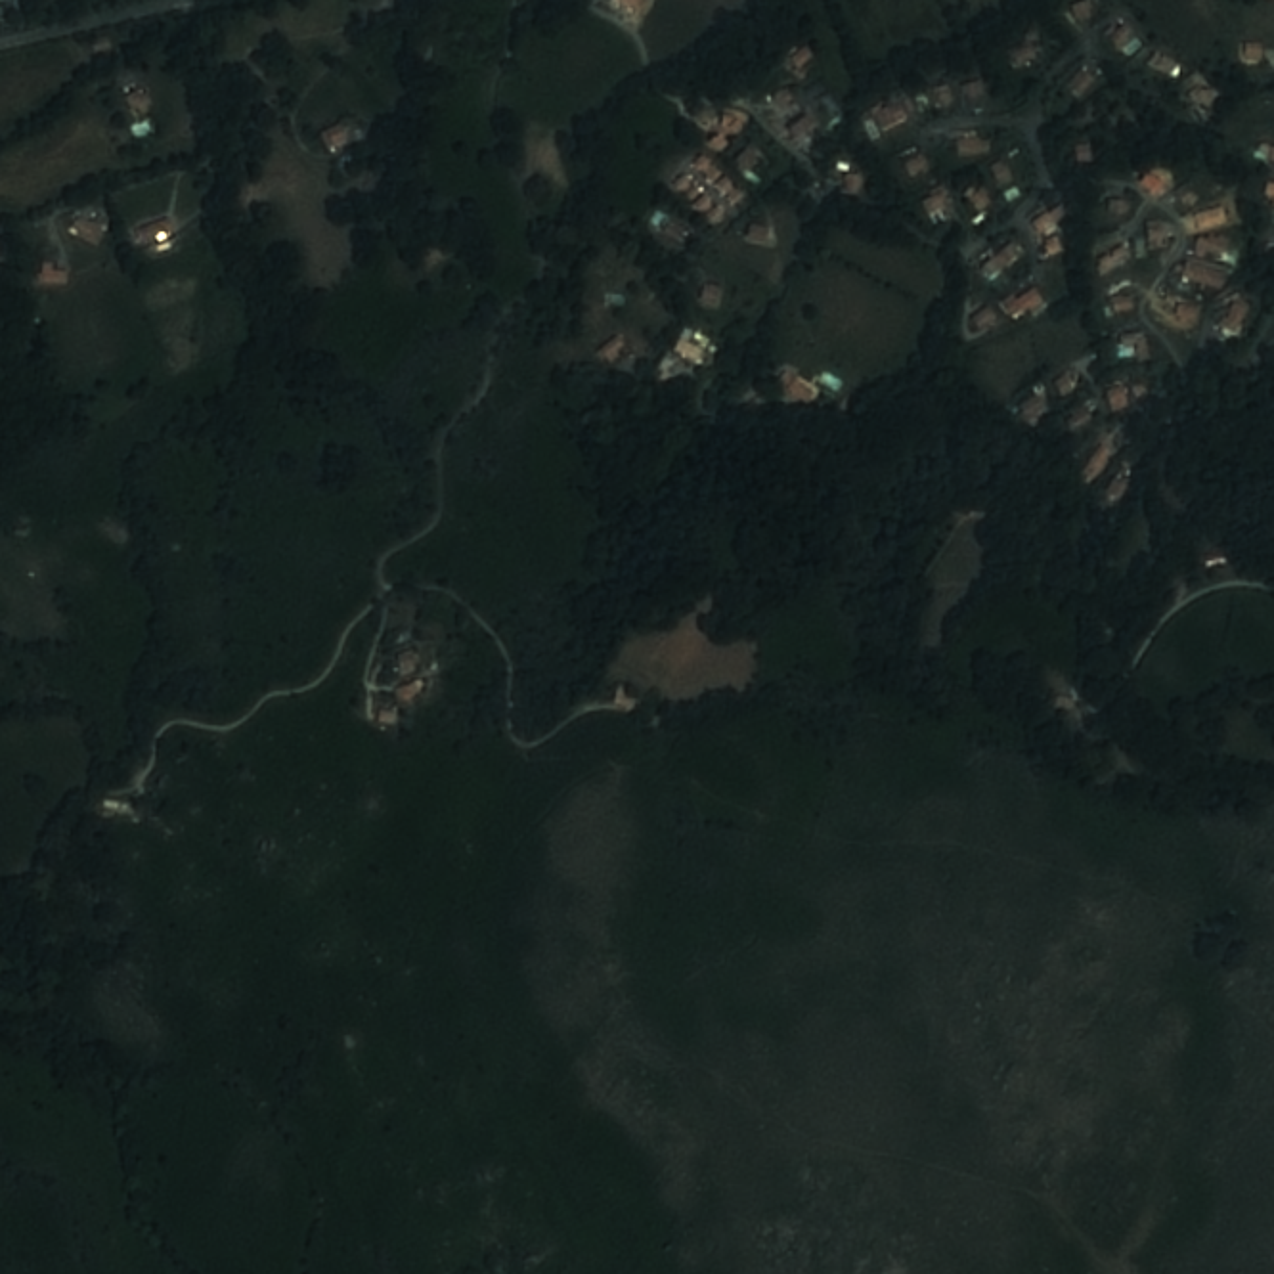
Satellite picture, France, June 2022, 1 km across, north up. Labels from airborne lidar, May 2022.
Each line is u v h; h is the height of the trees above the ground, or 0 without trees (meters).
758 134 12
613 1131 0
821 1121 0
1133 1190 0
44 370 18
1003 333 0
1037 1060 0
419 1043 0
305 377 14
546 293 12
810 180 14
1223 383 25
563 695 14
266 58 17
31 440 10
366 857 0
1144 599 12
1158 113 12
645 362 11
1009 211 9
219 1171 0
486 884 0
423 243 19
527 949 0
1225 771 15
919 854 0
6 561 0
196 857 0
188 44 17
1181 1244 0
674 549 22
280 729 0
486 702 10
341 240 0
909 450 24
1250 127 0
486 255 16
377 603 8
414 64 20
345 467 14
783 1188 0
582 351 0
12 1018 17
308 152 0
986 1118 0
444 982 0
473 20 0
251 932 0
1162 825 0
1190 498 13
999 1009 0
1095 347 7
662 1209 0
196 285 0
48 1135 0
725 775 0
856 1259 0
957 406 22
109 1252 0
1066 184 16
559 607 6
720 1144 0
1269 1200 0
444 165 0
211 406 11
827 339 0
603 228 11
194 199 0
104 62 14
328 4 0
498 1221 0
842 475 23
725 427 15
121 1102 12
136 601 0
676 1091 0
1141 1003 0
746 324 11
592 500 8
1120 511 8
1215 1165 0
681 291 13
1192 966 0
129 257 20
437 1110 0
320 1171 0
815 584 11
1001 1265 0
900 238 15
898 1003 0
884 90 14
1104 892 0
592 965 0
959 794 0
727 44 20
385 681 8
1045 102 7
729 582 16
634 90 13
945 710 10
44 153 0
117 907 6
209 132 22
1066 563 24
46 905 15
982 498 18
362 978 0
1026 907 0
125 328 0
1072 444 14
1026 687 15
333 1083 0
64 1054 13
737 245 0
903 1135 0
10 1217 0
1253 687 10
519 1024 0
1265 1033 0
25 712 8
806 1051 0
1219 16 0
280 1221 0
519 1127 0
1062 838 0
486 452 6
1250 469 13
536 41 0
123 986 7
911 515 16
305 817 0
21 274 13
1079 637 8
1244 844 0
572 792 0
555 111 0
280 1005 0
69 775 0
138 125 0
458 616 7
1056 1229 0
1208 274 0
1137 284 0
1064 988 0
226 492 8
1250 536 24
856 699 10
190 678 10
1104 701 11
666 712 13
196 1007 0
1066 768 9
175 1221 0
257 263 16
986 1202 0
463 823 0
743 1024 0
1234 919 15
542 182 13
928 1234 0
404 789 0
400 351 0
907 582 18
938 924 0
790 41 25
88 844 11
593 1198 0
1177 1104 0
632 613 16
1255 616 0
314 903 0
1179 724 12
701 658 0
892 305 0
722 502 18
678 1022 0
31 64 0
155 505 8
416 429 7
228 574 15
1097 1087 0
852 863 0
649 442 20
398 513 9
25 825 0
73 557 0
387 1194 0
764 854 0
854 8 0
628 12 0
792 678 8
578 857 0
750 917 0
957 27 11
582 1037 0
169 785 0
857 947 0
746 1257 0
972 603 15
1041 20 18
